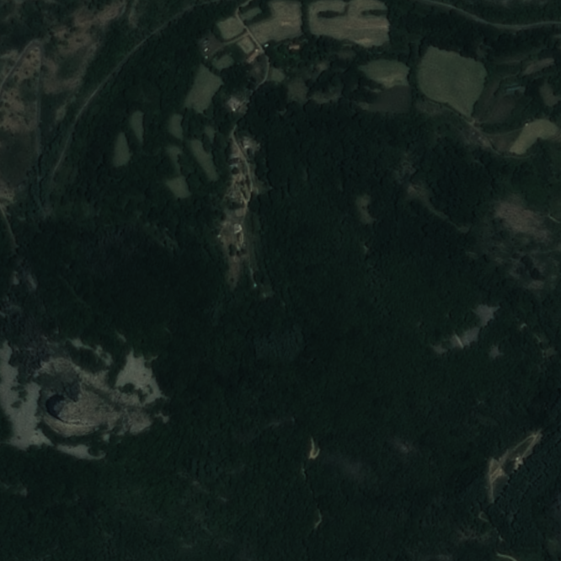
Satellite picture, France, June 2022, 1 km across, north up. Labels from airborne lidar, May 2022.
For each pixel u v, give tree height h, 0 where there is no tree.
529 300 14
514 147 0
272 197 16
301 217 17
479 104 10
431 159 19
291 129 25
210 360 10
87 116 8
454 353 17
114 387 8
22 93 0
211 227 9
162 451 12
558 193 0
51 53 0
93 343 9
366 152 17
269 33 0
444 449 18
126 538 13
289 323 18
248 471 12
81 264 18
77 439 6
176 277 19
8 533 12
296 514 12
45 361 6
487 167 9
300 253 20
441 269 19
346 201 24
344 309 17
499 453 8
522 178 14
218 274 11
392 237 26
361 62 15
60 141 15
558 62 15
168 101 15
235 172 10
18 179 0
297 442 17
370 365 18
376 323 16
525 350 21
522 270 13
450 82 0
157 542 9
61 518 17
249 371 16
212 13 15
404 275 18
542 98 8
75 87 0
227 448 13
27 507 20
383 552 15
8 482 13
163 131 12
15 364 12
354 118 7
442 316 17
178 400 18
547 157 12
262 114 20
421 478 13
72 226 18
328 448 11
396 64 0
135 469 6
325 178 20
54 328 13
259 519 6
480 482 23
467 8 7
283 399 19
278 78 0
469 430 11
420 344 17
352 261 23
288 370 14
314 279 21
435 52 0
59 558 13
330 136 25
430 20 14
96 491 8
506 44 14
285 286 18
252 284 13
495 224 10
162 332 15
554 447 24
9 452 17
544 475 19
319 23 0
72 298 12
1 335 10
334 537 14
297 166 21
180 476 8
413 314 20
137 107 14
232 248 14
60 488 17
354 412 19
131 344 11
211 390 18
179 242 11
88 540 10
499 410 12
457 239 22
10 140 0
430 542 10
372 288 19
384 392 20
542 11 7
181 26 10
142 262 20
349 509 17
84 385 0
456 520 12
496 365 14
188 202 8
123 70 9
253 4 14
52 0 0
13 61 0
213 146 12
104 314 7
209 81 0
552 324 18
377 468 13
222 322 16
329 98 0
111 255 19
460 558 9
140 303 20
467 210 22
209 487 6
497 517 24
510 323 13
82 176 12
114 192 15
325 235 21
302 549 14
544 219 0
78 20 0
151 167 9
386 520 19
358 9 0
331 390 20
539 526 21
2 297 11
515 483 23
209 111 14
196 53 17
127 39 10
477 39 9
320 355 24
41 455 18
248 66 9
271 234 16
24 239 13
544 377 17
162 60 7
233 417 11
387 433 9
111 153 16
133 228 14
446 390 16
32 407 0
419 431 21
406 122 14
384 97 0
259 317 16
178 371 19
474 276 17
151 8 6
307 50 10
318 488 13
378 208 18
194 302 19
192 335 18
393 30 13
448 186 14
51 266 18
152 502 6
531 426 15
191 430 13
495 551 22
